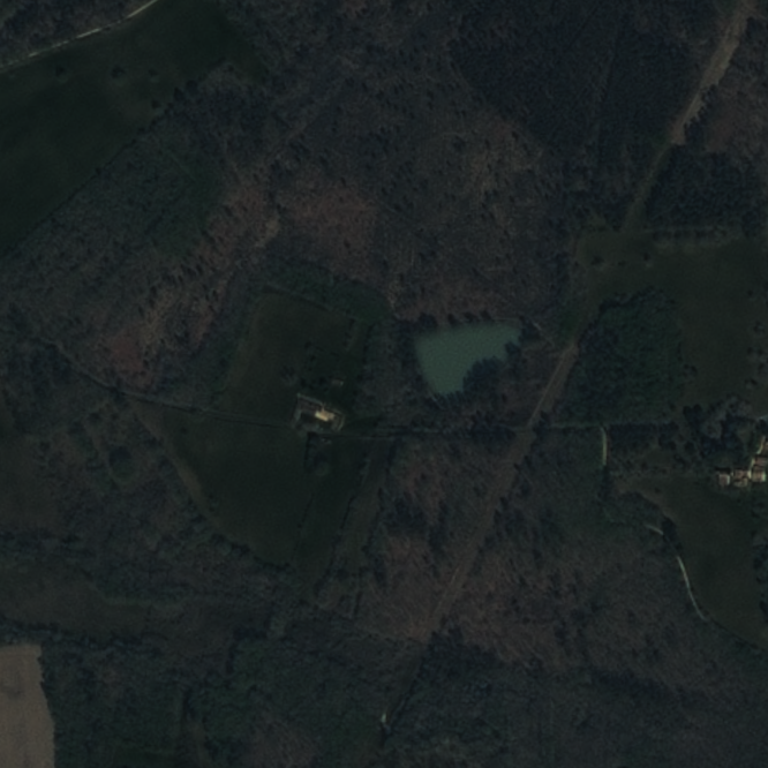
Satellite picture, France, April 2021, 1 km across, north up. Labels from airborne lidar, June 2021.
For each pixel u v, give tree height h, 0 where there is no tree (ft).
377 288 22
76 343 33
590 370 51
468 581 26
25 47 41
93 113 0
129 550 54
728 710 56
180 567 59
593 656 53
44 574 0
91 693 57
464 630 49
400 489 58
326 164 44
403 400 55
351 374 0
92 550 41
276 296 0
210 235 42
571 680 57
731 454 71
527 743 53
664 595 47
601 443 51
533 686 49
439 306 31
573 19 44
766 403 0
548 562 45
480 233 0
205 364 53
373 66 21
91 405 59
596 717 52
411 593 38
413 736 44
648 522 61
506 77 53
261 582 53
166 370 52
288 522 0
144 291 34
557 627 25
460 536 37
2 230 0
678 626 46
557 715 52
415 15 29
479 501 33
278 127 59
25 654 0
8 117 0
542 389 26
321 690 64
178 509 22
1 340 39
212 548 20
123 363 29
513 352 49
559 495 55
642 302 35
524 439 0
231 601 43
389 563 52
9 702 0
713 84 0
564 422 47
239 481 0
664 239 55
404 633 47
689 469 34
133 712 75
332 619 26
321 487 0
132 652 63
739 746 59
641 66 63
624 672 43
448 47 22
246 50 0
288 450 0
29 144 0
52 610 0
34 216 0
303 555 0
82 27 25
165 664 68
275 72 33
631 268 0
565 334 49
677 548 61
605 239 0
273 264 42
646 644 31
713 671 30
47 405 61
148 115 0
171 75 0
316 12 35
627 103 62
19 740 0
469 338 0
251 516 0
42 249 26
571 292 53
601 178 54
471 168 0
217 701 68
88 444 75
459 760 68
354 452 0
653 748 77
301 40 31
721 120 87
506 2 47
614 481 68
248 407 0
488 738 53
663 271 0
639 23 70
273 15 28
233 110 65
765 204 62
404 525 63
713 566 0
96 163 0
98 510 41
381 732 0
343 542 51
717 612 0
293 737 38
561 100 60
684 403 0
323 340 0
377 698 48
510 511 60
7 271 31
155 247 49
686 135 0
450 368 0
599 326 42
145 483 19
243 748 63
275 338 0
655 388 66
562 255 29
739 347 0
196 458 0
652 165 71
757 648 36
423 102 0
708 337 0
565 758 54
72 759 60
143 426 32
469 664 68
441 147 0
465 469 34
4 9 52
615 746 72
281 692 56
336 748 75
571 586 43
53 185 0
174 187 32
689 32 65
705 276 0
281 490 0
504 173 0
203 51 0
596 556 40
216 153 53
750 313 0
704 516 0
